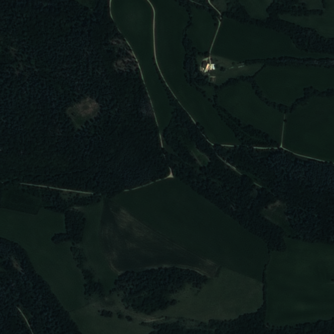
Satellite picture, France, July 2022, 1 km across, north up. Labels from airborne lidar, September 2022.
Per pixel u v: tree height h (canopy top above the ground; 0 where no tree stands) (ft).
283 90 0
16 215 0
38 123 60
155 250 0
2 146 57
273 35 0
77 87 76
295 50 0
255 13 0
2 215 0
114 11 0
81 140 93
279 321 0
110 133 29
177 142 37
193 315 0
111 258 0
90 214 0
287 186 67
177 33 0
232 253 0
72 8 58
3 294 85
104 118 31
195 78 36
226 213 35
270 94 0
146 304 66
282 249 57
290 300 0
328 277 0
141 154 55
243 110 0
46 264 0
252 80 59
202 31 0
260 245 0
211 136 0
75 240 33
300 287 0
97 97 55
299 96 0
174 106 53
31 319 22
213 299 0
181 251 0
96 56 43
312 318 0
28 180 52
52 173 72
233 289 0
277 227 44
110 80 46
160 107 0
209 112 0
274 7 37
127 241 0
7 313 40
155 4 0
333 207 66
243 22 65
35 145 67
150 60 0
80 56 45
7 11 72
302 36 49
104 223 0
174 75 0
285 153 36
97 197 53
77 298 0
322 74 0
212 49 0
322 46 61
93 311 0
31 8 73
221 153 63
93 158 59
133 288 21
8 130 61
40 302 70
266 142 20
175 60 0
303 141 0
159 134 63
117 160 51
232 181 33
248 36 0
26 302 94
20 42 64
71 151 46
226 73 0
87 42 72
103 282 0
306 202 60
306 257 0
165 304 71
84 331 0
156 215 0
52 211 39
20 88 25
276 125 0
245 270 0
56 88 35
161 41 0
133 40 0
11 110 70
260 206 71
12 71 78
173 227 0
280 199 52
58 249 0
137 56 0
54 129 66
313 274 0
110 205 0
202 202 0
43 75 38
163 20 0
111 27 104
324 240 59
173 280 55
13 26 18
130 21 0
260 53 0
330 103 0
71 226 56
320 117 0
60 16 93
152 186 0
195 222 0
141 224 0
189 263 0
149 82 0
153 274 75
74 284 0
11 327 94
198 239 0
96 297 0
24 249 62
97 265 0
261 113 0
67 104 86
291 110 50
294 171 96
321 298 0
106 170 69
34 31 41
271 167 79
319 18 0
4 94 52
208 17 0
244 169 75
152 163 43
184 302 0
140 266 0
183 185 0
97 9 36
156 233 0
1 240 59
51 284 0
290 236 38
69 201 34
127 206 0
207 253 0
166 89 40
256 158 84
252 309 0
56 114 60
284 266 0
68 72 53
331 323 35
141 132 74
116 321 0
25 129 60
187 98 0
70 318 45
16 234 0
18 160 37
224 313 0
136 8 0
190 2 67
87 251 0
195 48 50
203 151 58
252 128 59
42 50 43
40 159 48
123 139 65
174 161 59
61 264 0
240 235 0
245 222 52
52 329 66
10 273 46
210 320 28
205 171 69
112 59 94
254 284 0
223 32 0
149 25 0
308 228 60
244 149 52
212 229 0
